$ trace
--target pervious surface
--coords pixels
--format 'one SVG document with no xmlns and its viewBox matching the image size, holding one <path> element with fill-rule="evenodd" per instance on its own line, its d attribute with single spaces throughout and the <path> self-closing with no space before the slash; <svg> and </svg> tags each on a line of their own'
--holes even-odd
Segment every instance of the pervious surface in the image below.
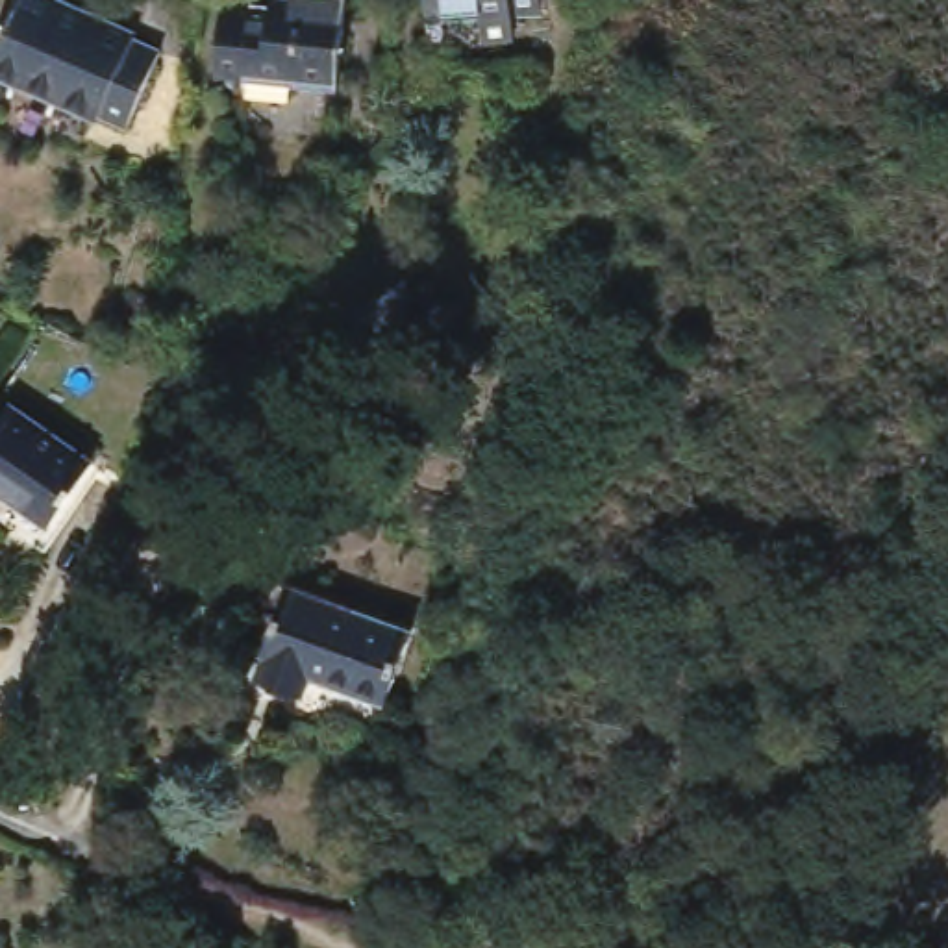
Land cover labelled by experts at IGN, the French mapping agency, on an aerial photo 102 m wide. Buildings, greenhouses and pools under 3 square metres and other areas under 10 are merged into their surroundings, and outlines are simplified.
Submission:
<svg viewBox="0 0 948 948">
<path fill-rule="evenodd" d="M 474 426 L 489 418 L 500 385 L 496 374 L 485 367 L 470 370 L 474 404 L 463 411 L 463 426 L 455 426 L 459 444 L 448 455 L 430 452 L 422 459 L 418 485 L 404 496 L 407 507 L 422 515 L 452 511 L 459 522 L 474 518 L 470 496 L 463 489 L 463 470 L 470 452 L 481 452 Z"/>
<path fill-rule="evenodd" d="M 85 533 L 104 504 L 104 485 L 96 485 L 74 511 L 74 530 L 63 544 L 41 548 L 44 574 L 37 578 L 30 604 L 22 607 L 22 618 L 15 626 L 0 626 L 0 722 L 22 730 L 26 715 L 44 718 L 33 681 L 52 670 L 56 641 L 63 637 L 78 607 L 81 589 L 89 585 L 93 567 L 107 563 L 107 552 L 93 552 L 93 541 Z"/>
<path fill-rule="evenodd" d="M 67 167 L 67 156 L 59 148 L 41 148 L 30 163 L 7 163 L 0 152 L 0 270 L 11 270 L 11 252 L 19 241 L 44 237 L 56 218 L 56 193 L 56 170 Z"/>
<path fill-rule="evenodd" d="M 241 907 L 248 926 L 289 922 L 300 944 L 307 948 L 348 948 L 348 933 L 333 933 L 296 904 Z"/>
<path fill-rule="evenodd" d="M 400 552 L 393 541 L 385 541 L 385 533 L 374 533 L 344 533 L 341 541 L 326 544 L 322 563 L 311 563 L 289 578 L 307 593 L 404 622 L 407 630 L 411 630 L 418 607 L 411 596 L 426 593 L 433 559 L 426 552 Z"/>
<path fill-rule="evenodd" d="M 315 159 L 341 159 L 348 170 L 378 174 L 370 137 L 318 133 L 274 141 L 278 174 L 289 174 L 300 148 L 307 148 Z"/>
<path fill-rule="evenodd" d="M 559 48 L 567 48 L 570 33 L 570 22 L 555 7 L 548 7 L 548 0 L 533 0 L 530 7 L 518 7 L 522 41 L 441 41 L 467 67 L 504 59 L 552 63 Z"/>
</svg>

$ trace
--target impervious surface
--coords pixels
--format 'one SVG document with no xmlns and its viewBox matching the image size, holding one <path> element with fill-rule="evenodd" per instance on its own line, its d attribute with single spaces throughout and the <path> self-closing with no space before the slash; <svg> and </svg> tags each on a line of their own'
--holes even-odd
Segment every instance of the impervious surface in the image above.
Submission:
<svg viewBox="0 0 948 948">
<path fill-rule="evenodd" d="M 104 504 L 85 533 L 93 541 L 93 552 L 107 552 L 107 563 L 115 570 L 137 567 L 141 548 L 148 548 L 141 522 L 126 511 L 126 489 L 119 485 L 119 474 L 93 463 L 78 474 L 78 481 L 67 493 L 56 496 L 56 511 L 44 526 L 30 522 L 19 507 L 11 507 L 0 496 L 0 544 L 19 541 L 26 548 L 41 548 L 63 544 L 74 530 L 74 511 L 96 485 L 104 485 Z"/>
<path fill-rule="evenodd" d="M 0 852 L 7 852 L 7 844 L 22 837 L 48 837 L 70 841 L 78 855 L 89 855 L 93 792 L 70 785 L 59 807 L 0 807 Z"/>
<path fill-rule="evenodd" d="M 241 93 L 248 104 L 263 107 L 274 141 L 318 133 L 318 115 L 326 107 L 326 96 L 337 93 L 337 85 L 244 81 Z"/>
<path fill-rule="evenodd" d="M 93 122 L 81 111 L 48 104 L 44 93 L 30 93 L 0 78 L 0 96 L 7 96 L 15 130 L 59 130 L 59 137 L 67 141 L 89 141 L 111 148 L 126 148 L 133 156 L 163 152 L 170 144 L 170 115 L 178 104 L 181 44 L 178 26 L 156 0 L 144 0 L 141 15 L 144 26 L 159 30 L 163 52 L 152 96 L 137 111 L 130 130 Z"/>
</svg>

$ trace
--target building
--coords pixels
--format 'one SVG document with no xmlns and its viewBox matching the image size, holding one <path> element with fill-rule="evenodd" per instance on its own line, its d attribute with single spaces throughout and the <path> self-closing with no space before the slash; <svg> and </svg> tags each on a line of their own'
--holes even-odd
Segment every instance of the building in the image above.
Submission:
<svg viewBox="0 0 948 948">
<path fill-rule="evenodd" d="M 78 481 L 78 474 L 93 463 L 100 452 L 100 433 L 89 422 L 74 418 L 63 404 L 52 404 L 33 385 L 15 385 L 7 378 L 0 381 L 0 496 L 11 507 L 19 507 L 30 522 L 44 526 L 56 511 L 56 496 L 67 493 Z"/>
<path fill-rule="evenodd" d="M 518 7 L 530 7 L 533 0 L 422 0 L 426 33 L 430 41 L 441 41 L 522 41 Z"/>
<path fill-rule="evenodd" d="M 393 685 L 381 681 L 381 667 L 396 659 L 407 630 L 404 622 L 307 593 L 289 578 L 281 593 L 267 593 L 270 600 L 263 604 L 263 644 L 248 663 L 248 689 L 270 692 L 270 704 L 300 711 L 348 704 L 363 715 L 374 715 L 389 696 Z"/>
<path fill-rule="evenodd" d="M 93 122 L 130 130 L 137 111 L 152 96 L 163 52 L 159 30 L 144 26 L 141 15 L 93 19 L 81 0 L 0 0 L 0 78 L 30 93 L 44 93 L 48 104 L 81 111 Z"/>
<path fill-rule="evenodd" d="M 337 85 L 341 59 L 356 56 L 348 0 L 252 0 L 218 11 L 215 44 L 204 59 L 207 74 L 230 85 L 233 93 L 241 93 L 244 81 Z"/>
</svg>

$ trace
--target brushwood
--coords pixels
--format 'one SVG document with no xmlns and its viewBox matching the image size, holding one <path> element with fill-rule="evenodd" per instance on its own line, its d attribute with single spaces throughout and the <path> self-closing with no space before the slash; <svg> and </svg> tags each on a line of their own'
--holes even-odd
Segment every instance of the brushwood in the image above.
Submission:
<svg viewBox="0 0 948 948">
<path fill-rule="evenodd" d="M 655 830 L 659 822 L 674 822 L 678 785 L 685 778 L 707 778 L 700 800 L 715 804 L 726 818 L 737 818 L 741 826 L 767 811 L 785 815 L 792 800 L 807 796 L 811 778 L 859 778 L 852 770 L 852 755 L 870 737 L 859 733 L 848 718 L 830 733 L 807 733 L 800 718 L 811 715 L 818 704 L 837 700 L 837 681 L 804 689 L 792 681 L 785 663 L 774 663 L 759 652 L 748 652 L 733 667 L 730 685 L 674 685 L 659 704 L 648 700 L 648 692 L 641 692 L 641 674 L 626 674 L 604 663 L 593 670 L 585 655 L 544 663 L 496 692 L 474 652 L 485 641 L 485 630 L 567 622 L 581 607 L 600 607 L 600 581 L 618 581 L 622 574 L 652 585 L 670 607 L 711 596 L 715 585 L 707 578 L 674 581 L 644 555 L 630 559 L 626 567 L 578 563 L 574 541 L 563 530 L 552 526 L 537 544 L 537 570 L 515 578 L 511 585 L 485 585 L 478 578 L 481 559 L 474 548 L 474 518 L 459 522 L 452 511 L 422 515 L 407 507 L 381 511 L 381 518 L 370 526 L 374 533 L 385 533 L 385 541 L 393 541 L 400 552 L 426 552 L 433 559 L 426 593 L 411 596 L 418 607 L 411 630 L 411 644 L 422 663 L 422 678 L 407 678 L 415 700 L 433 763 L 470 767 L 489 748 L 504 748 L 511 770 L 526 770 L 537 778 L 530 792 L 504 785 L 500 800 L 493 804 L 493 811 L 507 818 L 504 844 L 522 844 L 526 852 L 552 852 L 552 841 L 530 837 L 548 822 L 574 826 L 578 818 L 593 818 L 615 837 L 633 837 Z"/>
<path fill-rule="evenodd" d="M 907 163 L 900 167 L 896 181 L 937 185 L 948 178 L 948 85 L 937 93 L 922 85 L 911 67 L 900 67 L 892 78 L 896 96 L 885 96 L 885 104 L 874 111 L 881 141 L 907 152 Z"/>
<path fill-rule="evenodd" d="M 67 892 L 44 915 L 0 922 L 0 948 L 15 948 L 22 929 L 63 929 L 63 918 L 81 907 Z"/>
<path fill-rule="evenodd" d="M 555 7 L 570 22 L 570 33 L 578 26 L 596 26 L 604 19 L 626 19 L 630 0 L 548 0 L 548 7 Z"/>
<path fill-rule="evenodd" d="M 241 93 L 233 93 L 222 96 L 218 126 L 211 141 L 200 148 L 200 170 L 211 185 L 211 230 L 233 241 L 226 256 L 185 252 L 181 211 L 189 211 L 193 204 L 181 181 L 181 167 L 163 152 L 133 156 L 126 148 L 111 148 L 104 156 L 104 174 L 96 181 L 93 200 L 111 204 L 107 226 L 115 233 L 126 233 L 133 218 L 156 218 L 159 237 L 141 241 L 141 252 L 148 256 L 148 281 L 163 289 L 185 289 L 196 300 L 204 300 L 215 315 L 274 307 L 285 300 L 293 285 L 315 281 L 348 248 L 356 248 L 356 230 L 370 211 L 396 259 L 418 263 L 437 256 L 433 230 L 426 222 L 426 200 L 444 181 L 437 163 L 455 152 L 463 107 L 493 100 L 507 130 L 522 107 L 537 107 L 544 96 L 555 96 L 552 63 L 504 59 L 467 67 L 441 41 L 430 41 L 426 33 L 422 0 L 348 0 L 356 56 L 341 59 L 337 85 L 337 93 L 326 96 L 326 107 L 318 115 L 318 133 L 370 137 L 378 174 L 348 170 L 341 159 L 315 159 L 307 148 L 300 148 L 289 174 L 278 174 L 274 141 L 263 107 L 248 104 Z"/>
<path fill-rule="evenodd" d="M 381 948 L 378 941 L 385 937 L 385 926 L 370 926 L 363 918 L 344 915 L 344 900 L 267 885 L 248 870 L 230 870 L 218 863 L 211 878 L 200 878 L 200 889 L 226 896 L 241 907 L 296 904 L 333 933 L 348 933 L 348 948 Z"/>
<path fill-rule="evenodd" d="M 11 304 L 22 304 L 37 318 L 59 326 L 63 333 L 85 344 L 100 330 L 100 318 L 93 315 L 78 318 L 74 311 L 41 304 L 44 267 L 56 252 L 44 237 L 19 241 L 11 252 L 11 270 L 0 270 L 0 304 L 7 296 Z"/>
<path fill-rule="evenodd" d="M 67 885 L 96 870 L 89 855 L 78 855 L 70 841 L 48 837 L 22 837 L 7 844 L 7 852 L 0 852 L 0 867 L 15 867 L 19 896 L 33 892 L 37 863 L 52 867 Z"/>
<path fill-rule="evenodd" d="M 911 518 L 926 504 L 948 511 L 948 430 L 937 441 L 922 444 L 926 463 L 918 474 L 889 474 L 885 485 L 874 485 L 874 500 L 867 504 L 867 533 L 878 533 L 881 548 L 867 559 L 852 555 L 852 574 L 874 570 L 885 581 L 918 578 L 922 559 L 892 563 L 889 555 L 918 541 Z"/>
<path fill-rule="evenodd" d="M 611 318 L 637 330 L 633 367 L 648 374 L 655 385 L 663 381 L 678 393 L 689 385 L 685 367 L 700 363 L 700 352 L 715 344 L 718 333 L 711 326 L 707 307 L 681 307 L 678 315 L 659 311 L 659 289 L 648 267 L 659 263 L 655 244 L 667 237 L 667 226 L 659 218 L 574 218 L 567 204 L 570 193 L 578 193 L 578 185 L 567 178 L 567 167 L 574 159 L 559 156 L 541 141 L 515 141 L 515 148 L 507 148 L 507 141 L 496 133 L 478 144 L 478 159 L 489 170 L 489 185 L 474 204 L 463 204 L 455 196 L 455 222 L 467 230 L 474 252 L 485 256 L 504 256 L 507 248 L 537 252 L 544 244 L 559 263 L 593 256 L 593 270 L 600 281 L 596 300 Z"/>
<path fill-rule="evenodd" d="M 11 367 L 22 359 L 26 326 L 0 322 L 0 381 L 7 378 Z"/>
<path fill-rule="evenodd" d="M 56 170 L 56 193 L 78 204 L 78 159 L 89 141 L 67 141 L 59 137 L 59 130 L 15 130 L 7 96 L 0 96 L 0 152 L 7 163 L 30 163 L 41 148 L 59 148 L 67 156 L 67 167 Z"/>
<path fill-rule="evenodd" d="M 667 81 L 637 59 L 626 59 L 611 78 L 615 96 L 633 115 L 655 115 L 659 104 L 670 96 Z"/>
</svg>

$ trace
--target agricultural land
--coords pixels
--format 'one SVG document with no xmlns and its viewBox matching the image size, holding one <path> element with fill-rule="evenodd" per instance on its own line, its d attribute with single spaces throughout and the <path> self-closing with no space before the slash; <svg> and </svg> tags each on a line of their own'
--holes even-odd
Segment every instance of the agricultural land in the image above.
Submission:
<svg viewBox="0 0 948 948">
<path fill-rule="evenodd" d="M 915 811 L 929 811 L 933 855 L 907 863 L 881 896 L 881 922 L 855 922 L 841 948 L 948 948 L 948 704 L 904 733 L 870 737 L 852 755 L 852 770 L 859 778 L 870 778 L 885 767 L 896 767 L 907 778 L 907 804 Z"/>
</svg>

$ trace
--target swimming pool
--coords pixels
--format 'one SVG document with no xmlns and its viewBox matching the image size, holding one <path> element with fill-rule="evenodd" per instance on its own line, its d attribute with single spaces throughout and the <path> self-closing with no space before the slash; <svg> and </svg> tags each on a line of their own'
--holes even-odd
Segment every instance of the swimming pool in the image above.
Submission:
<svg viewBox="0 0 948 948">
<path fill-rule="evenodd" d="M 85 374 L 67 374 L 70 393 L 93 389 Z"/>
</svg>

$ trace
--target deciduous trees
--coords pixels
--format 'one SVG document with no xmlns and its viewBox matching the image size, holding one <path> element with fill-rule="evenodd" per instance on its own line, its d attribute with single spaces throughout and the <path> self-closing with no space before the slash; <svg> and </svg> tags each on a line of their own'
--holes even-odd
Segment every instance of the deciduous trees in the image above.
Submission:
<svg viewBox="0 0 948 948">
<path fill-rule="evenodd" d="M 181 44 L 196 48 L 196 56 L 204 59 L 215 44 L 218 11 L 252 0 L 156 0 L 178 26 Z"/>
<path fill-rule="evenodd" d="M 41 548 L 26 548 L 19 541 L 0 544 L 0 626 L 15 626 L 22 618 L 22 607 L 30 604 L 37 578 L 44 574 Z"/>
<path fill-rule="evenodd" d="M 759 563 L 733 555 L 715 537 L 681 537 L 674 548 L 644 548 L 644 555 L 674 581 L 707 578 L 715 585 L 711 596 L 670 607 L 652 585 L 622 574 L 618 581 L 600 581 L 600 607 L 581 607 L 567 622 L 485 630 L 485 641 L 474 652 L 496 692 L 544 663 L 585 655 L 593 670 L 604 663 L 626 674 L 641 674 L 641 692 L 648 692 L 648 700 L 659 704 L 674 685 L 730 685 L 733 667 L 748 652 L 759 652 L 774 663 L 785 663 L 792 681 L 804 689 L 837 681 L 837 700 L 818 704 L 811 715 L 800 718 L 807 733 L 830 733 L 848 718 L 859 733 L 870 737 L 904 733 L 948 704 L 948 511 L 926 504 L 911 518 L 918 541 L 889 555 L 892 563 L 922 559 L 918 578 L 885 581 L 874 570 L 852 574 L 826 585 L 815 596 L 804 596 L 792 578 L 770 581 Z"/>
<path fill-rule="evenodd" d="M 537 570 L 537 544 L 552 526 L 563 530 L 574 518 L 600 507 L 607 481 L 615 478 L 611 467 L 622 452 L 663 433 L 663 426 L 681 411 L 678 393 L 663 381 L 655 385 L 648 374 L 633 367 L 637 330 L 611 318 L 596 300 L 600 281 L 593 270 L 593 256 L 559 263 L 544 244 L 537 252 L 507 248 L 504 256 L 485 256 L 493 278 L 478 300 L 481 322 L 467 337 L 437 337 L 426 326 L 407 330 L 404 322 L 389 322 L 389 304 L 374 304 L 359 307 L 356 326 L 330 337 L 330 344 L 315 356 L 289 356 L 285 363 L 263 363 L 248 381 L 196 389 L 196 381 L 185 374 L 196 363 L 193 337 L 215 315 L 204 300 L 196 300 L 185 289 L 163 289 L 148 281 L 104 289 L 93 315 L 100 318 L 100 330 L 85 344 L 93 352 L 93 367 L 100 359 L 111 359 L 115 367 L 144 367 L 156 381 L 144 393 L 137 415 L 137 444 L 126 452 L 119 474 L 119 485 L 126 489 L 126 511 L 141 522 L 148 548 L 141 548 L 137 567 L 115 570 L 107 563 L 93 567 L 89 585 L 81 589 L 78 607 L 63 637 L 56 641 L 52 670 L 33 681 L 44 718 L 26 715 L 22 730 L 0 722 L 0 807 L 59 807 L 70 785 L 93 792 L 89 855 L 96 870 L 67 885 L 67 892 L 81 907 L 63 918 L 63 929 L 63 941 L 70 948 L 307 948 L 300 944 L 289 922 L 248 926 L 241 907 L 226 896 L 200 889 L 200 878 L 211 878 L 218 863 L 204 855 L 215 844 L 215 837 L 248 826 L 241 807 L 230 807 L 241 785 L 263 785 L 267 792 L 278 792 L 293 767 L 318 767 L 307 804 L 315 833 L 333 837 L 341 844 L 359 841 L 359 878 L 378 874 L 389 889 L 378 896 L 378 907 L 363 918 L 370 926 L 385 926 L 385 937 L 378 941 L 381 948 L 841 948 L 855 922 L 881 922 L 881 896 L 907 863 L 933 855 L 929 811 L 915 811 L 907 804 L 907 778 L 896 767 L 885 767 L 870 778 L 859 778 L 811 778 L 807 796 L 792 800 L 785 815 L 767 811 L 741 826 L 737 818 L 726 818 L 715 804 L 700 800 L 707 778 L 685 778 L 678 785 L 674 822 L 659 822 L 655 830 L 633 837 L 615 837 L 593 818 L 578 818 L 574 826 L 548 822 L 530 837 L 552 841 L 552 852 L 526 852 L 522 844 L 504 844 L 507 818 L 493 811 L 493 804 L 500 800 L 504 785 L 530 792 L 537 778 L 526 770 L 511 770 L 504 748 L 489 748 L 470 767 L 433 763 L 415 700 L 389 696 L 374 715 L 363 715 L 359 722 L 293 726 L 289 733 L 274 733 L 263 726 L 270 704 L 270 692 L 248 689 L 248 663 L 263 644 L 263 604 L 270 600 L 267 593 L 281 593 L 289 578 L 311 563 L 322 563 L 326 544 L 341 541 L 344 533 L 374 533 L 370 526 L 381 518 L 381 511 L 407 507 L 404 496 L 418 485 L 422 459 L 430 452 L 448 455 L 459 444 L 455 426 L 463 426 L 463 411 L 474 404 L 470 370 L 485 367 L 496 374 L 500 385 L 489 418 L 474 426 L 481 452 L 470 452 L 463 470 L 463 489 L 470 496 L 474 518 L 474 548 L 481 559 L 478 578 L 485 585 L 511 585 L 515 578 Z"/>
<path fill-rule="evenodd" d="M 93 19 L 141 15 L 144 0 L 81 0 Z"/>
</svg>

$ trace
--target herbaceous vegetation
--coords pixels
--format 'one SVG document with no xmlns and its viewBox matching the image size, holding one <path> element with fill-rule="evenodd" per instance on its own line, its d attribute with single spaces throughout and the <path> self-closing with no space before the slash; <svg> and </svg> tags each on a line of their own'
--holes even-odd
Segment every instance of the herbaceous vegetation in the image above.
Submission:
<svg viewBox="0 0 948 948">
<path fill-rule="evenodd" d="M 333 837 L 315 833 L 307 804 L 318 767 L 293 767 L 278 792 L 267 792 L 263 785 L 241 785 L 230 807 L 241 807 L 248 826 L 215 837 L 215 844 L 204 855 L 218 863 L 230 870 L 248 870 L 267 885 L 344 900 L 344 915 L 363 918 L 378 907 L 378 896 L 389 889 L 378 874 L 359 878 L 359 841 L 341 844 Z"/>
<path fill-rule="evenodd" d="M 381 667 L 381 681 L 393 685 L 389 696 L 415 700 L 407 678 L 422 678 L 422 663 L 411 644 L 411 630 L 407 630 L 396 659 Z"/>
<path fill-rule="evenodd" d="M 37 863 L 33 892 L 19 896 L 15 867 L 0 867 L 0 922 L 44 915 L 67 892 L 67 885 L 52 867 Z"/>
<path fill-rule="evenodd" d="M 15 948 L 70 948 L 63 941 L 63 929 L 22 929 Z"/>
<path fill-rule="evenodd" d="M 230 85 L 207 74 L 204 59 L 196 56 L 196 48 L 181 44 L 178 104 L 170 115 L 170 144 L 163 152 L 181 167 L 181 181 L 193 204 L 189 211 L 181 211 L 185 252 L 226 256 L 233 241 L 211 230 L 211 185 L 200 170 L 200 148 L 211 141 L 218 126 L 222 96 L 233 93 Z"/>
<path fill-rule="evenodd" d="M 100 359 L 93 367 L 93 352 L 85 344 L 63 333 L 59 326 L 37 318 L 22 304 L 11 304 L 7 296 L 0 304 L 0 322 L 26 326 L 22 359 L 11 367 L 7 378 L 15 385 L 33 385 L 52 404 L 63 404 L 74 418 L 89 422 L 100 433 L 100 452 L 93 463 L 119 474 L 126 452 L 137 444 L 137 415 L 144 393 L 156 381 L 144 367 L 115 367 L 111 359 Z M 85 374 L 93 389 L 70 393 L 67 374 Z"/>
<path fill-rule="evenodd" d="M 104 174 L 104 156 L 111 148 L 89 141 L 78 159 L 78 204 L 56 193 L 56 218 L 44 237 L 56 252 L 44 267 L 41 304 L 74 311 L 78 318 L 93 315 L 104 289 L 148 281 L 148 256 L 141 252 L 141 241 L 159 237 L 156 218 L 133 218 L 126 233 L 115 233 L 107 226 L 111 204 L 93 200 L 96 181 Z"/>
<path fill-rule="evenodd" d="M 637 59 L 667 81 L 670 96 L 659 104 L 655 115 L 633 115 L 615 96 L 611 78 L 626 59 Z M 937 185 L 896 181 L 900 167 L 907 163 L 907 152 L 881 141 L 874 111 L 885 104 L 885 96 L 896 96 L 892 78 L 900 67 L 911 67 L 922 85 L 937 93 L 948 85 L 948 0 L 630 0 L 626 19 L 604 19 L 596 26 L 578 26 L 570 33 L 567 48 L 559 48 L 552 63 L 555 96 L 544 96 L 537 107 L 522 107 L 507 130 L 493 100 L 463 107 L 455 152 L 437 163 L 444 181 L 426 200 L 426 222 L 433 230 L 437 256 L 418 263 L 396 259 L 370 211 L 356 230 L 356 248 L 348 248 L 315 281 L 293 285 L 285 300 L 274 307 L 215 315 L 193 337 L 196 363 L 185 374 L 196 381 L 196 389 L 248 381 L 263 363 L 285 363 L 289 356 L 315 356 L 330 344 L 330 337 L 356 326 L 359 307 L 374 304 L 389 304 L 389 322 L 404 322 L 407 330 L 426 326 L 437 337 L 467 337 L 481 322 L 478 300 L 493 278 L 485 256 L 474 252 L 467 230 L 455 222 L 455 196 L 463 204 L 474 204 L 489 185 L 489 170 L 478 159 L 478 144 L 496 133 L 507 141 L 507 148 L 515 148 L 515 141 L 541 141 L 559 156 L 574 159 L 567 167 L 567 178 L 578 185 L 578 193 L 570 193 L 567 204 L 574 218 L 659 218 L 667 226 L 667 237 L 655 244 L 659 263 L 648 267 L 659 289 L 659 311 L 678 315 L 681 307 L 707 307 L 711 326 L 718 333 L 715 344 L 700 352 L 700 363 L 685 367 L 689 385 L 678 393 L 681 411 L 663 426 L 663 433 L 622 452 L 611 467 L 615 478 L 607 481 L 600 507 L 574 518 L 563 530 L 574 541 L 578 563 L 626 567 L 630 559 L 644 555 L 644 548 L 674 548 L 681 537 L 715 537 L 733 555 L 759 563 L 770 581 L 792 578 L 804 596 L 815 596 L 826 585 L 852 574 L 852 555 L 867 559 L 881 548 L 878 533 L 867 533 L 867 504 L 874 500 L 874 485 L 885 485 L 889 474 L 918 474 L 926 463 L 922 444 L 937 441 L 948 430 L 948 178 Z"/>
<path fill-rule="evenodd" d="M 263 726 L 274 733 L 289 733 L 293 726 L 359 722 L 363 715 L 348 704 L 300 711 L 270 704 Z"/>
</svg>

